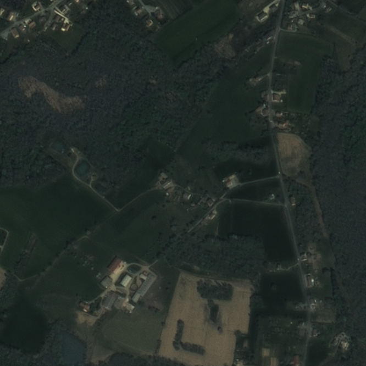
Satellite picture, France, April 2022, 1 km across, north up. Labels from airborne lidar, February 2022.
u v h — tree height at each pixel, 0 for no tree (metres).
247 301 0
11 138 12
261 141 0
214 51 18
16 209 0
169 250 23
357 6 0
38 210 0
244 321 0
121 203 0
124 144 14
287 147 0
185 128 17
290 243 0
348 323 21
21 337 0
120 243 0
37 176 19
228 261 26
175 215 0
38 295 0
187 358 0
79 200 0
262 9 0
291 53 0
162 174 7
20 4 22
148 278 0
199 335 0
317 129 0
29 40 0
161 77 20
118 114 25
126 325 0
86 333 0
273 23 8
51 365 15
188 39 0
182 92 22
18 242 0
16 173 30
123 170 21
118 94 19
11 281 14
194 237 12
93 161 20
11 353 20
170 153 0
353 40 0
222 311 0
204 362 0
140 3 0
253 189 0
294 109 0
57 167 26
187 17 0
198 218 12
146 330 0
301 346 0
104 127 22
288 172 0
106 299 0
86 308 0
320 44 0
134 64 25
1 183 21
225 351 0
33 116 9
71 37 0
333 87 19
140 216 0
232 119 0
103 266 0
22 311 0
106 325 0
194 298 0
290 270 0
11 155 11
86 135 18
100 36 24
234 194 0
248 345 0
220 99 0
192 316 0
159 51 21
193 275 0
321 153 24
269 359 0
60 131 17
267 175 0
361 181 20
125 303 0
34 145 28
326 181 22
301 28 0
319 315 0
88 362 0
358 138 22
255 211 0
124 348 0
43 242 0
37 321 0
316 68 0
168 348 0
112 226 0
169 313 0
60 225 0
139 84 25
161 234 7
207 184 0
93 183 0
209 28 0
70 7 0
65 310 0
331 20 0
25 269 12
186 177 0
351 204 14
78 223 0
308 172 0
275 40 0
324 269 0
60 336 18
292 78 0
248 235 0
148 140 0
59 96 0
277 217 0
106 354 0
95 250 0
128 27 23
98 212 0
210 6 0
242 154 22
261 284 0
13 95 10
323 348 0
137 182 0
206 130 0
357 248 22
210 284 20
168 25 0
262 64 0
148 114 25
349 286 22
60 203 0
